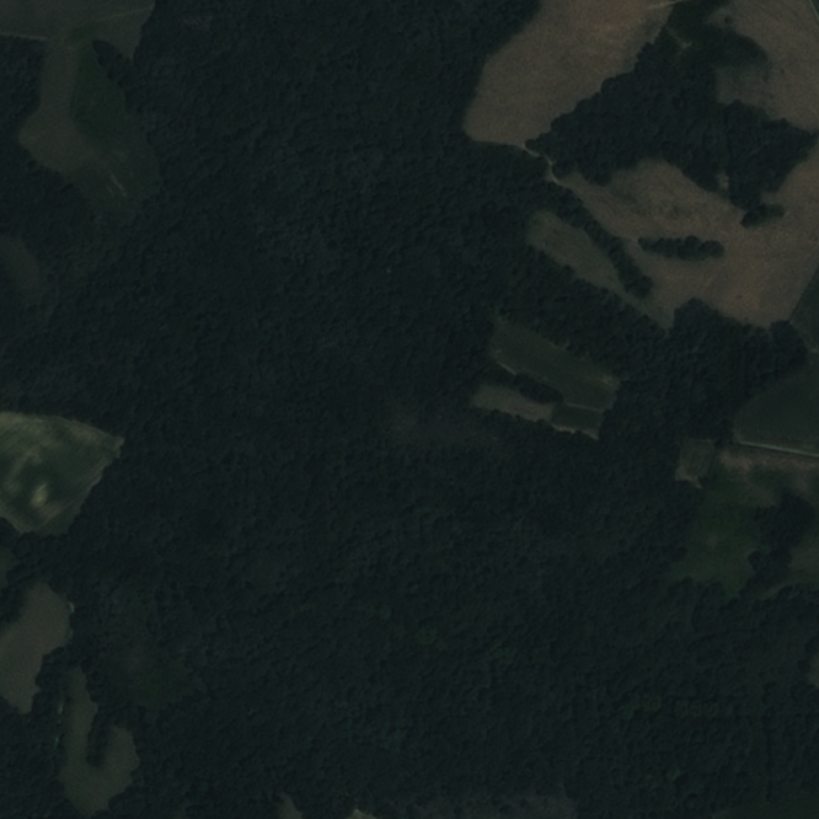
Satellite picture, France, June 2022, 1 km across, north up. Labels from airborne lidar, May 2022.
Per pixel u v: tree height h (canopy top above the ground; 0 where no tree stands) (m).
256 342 23
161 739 23
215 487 22
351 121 20
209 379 23
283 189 14
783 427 0
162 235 23
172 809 25
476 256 8
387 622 26
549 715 17
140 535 23
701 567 0
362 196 13
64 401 11
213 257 24
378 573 18
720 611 13
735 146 15
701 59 8
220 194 27
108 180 0
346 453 13
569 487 16
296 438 18
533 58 0
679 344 16
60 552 23
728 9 0
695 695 12
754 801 14
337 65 22
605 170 17
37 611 0
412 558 15
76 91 0
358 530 15
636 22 0
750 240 0
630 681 13
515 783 22
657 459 16
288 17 18
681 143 14
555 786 21
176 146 13
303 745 21
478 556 14
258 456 12
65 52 0
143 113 14
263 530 19
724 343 17
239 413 21
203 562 23
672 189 0
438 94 23
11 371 16
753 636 15
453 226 26
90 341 13
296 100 7
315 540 14
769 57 0
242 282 23
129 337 11
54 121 0
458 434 0
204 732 26
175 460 22
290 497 23
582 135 13
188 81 16
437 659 25
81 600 19
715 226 0
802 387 0
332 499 14
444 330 23
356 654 23
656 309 0
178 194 16
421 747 23
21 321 12
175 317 12
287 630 28
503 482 14
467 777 24
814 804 0
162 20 13
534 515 12
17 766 24
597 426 0
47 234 17
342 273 20
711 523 0
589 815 19
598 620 16
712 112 8
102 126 0
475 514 23
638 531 8
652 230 0
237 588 23
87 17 0
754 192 17
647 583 13
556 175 7
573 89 0
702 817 18
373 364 19
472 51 18
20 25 0
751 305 0
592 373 0
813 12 0
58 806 18
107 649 16
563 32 0
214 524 25
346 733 19
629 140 10
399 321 21
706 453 0
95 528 19
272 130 16
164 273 25
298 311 17
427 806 18
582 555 7
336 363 17
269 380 16
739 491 0
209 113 11
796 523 18
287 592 7
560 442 14
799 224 0
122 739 0
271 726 25
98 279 15
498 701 22
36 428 0
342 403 21
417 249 20
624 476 12
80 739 0
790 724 15
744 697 6
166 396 17
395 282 17
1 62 5
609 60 0
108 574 21
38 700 17
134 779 9
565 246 0
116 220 13
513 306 18
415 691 16
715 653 15
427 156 9
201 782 31
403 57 16
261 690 23
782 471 0
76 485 0
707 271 0
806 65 0
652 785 15
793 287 0
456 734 21
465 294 22
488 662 7
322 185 20
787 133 22
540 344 0
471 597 6
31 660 0
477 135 0
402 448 9
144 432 14
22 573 20
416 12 18
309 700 19
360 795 7
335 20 14
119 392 16
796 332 14
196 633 23
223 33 19
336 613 23
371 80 12
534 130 0
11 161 12
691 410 23
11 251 0
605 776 25
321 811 23
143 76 7
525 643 17
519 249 9
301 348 16
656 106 20
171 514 23
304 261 18
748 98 0
